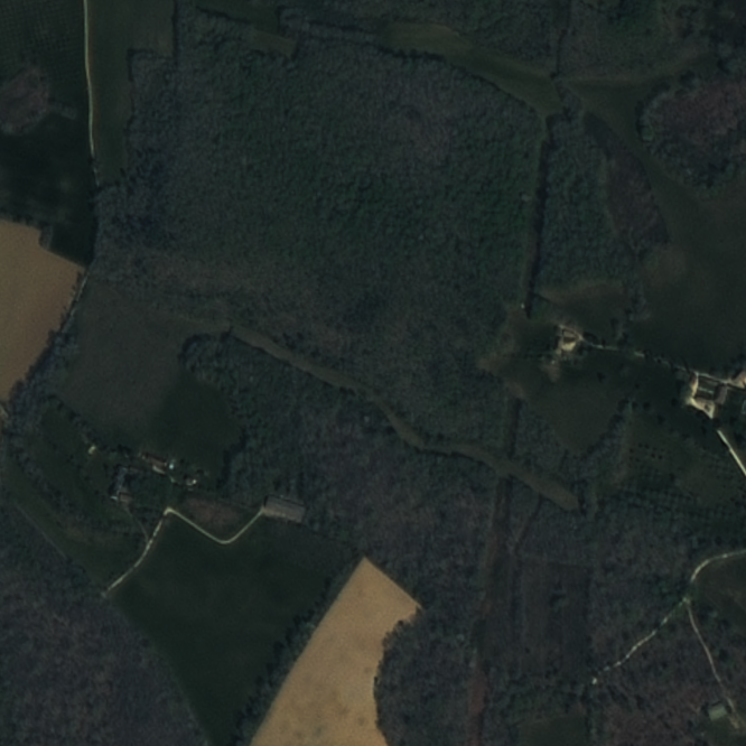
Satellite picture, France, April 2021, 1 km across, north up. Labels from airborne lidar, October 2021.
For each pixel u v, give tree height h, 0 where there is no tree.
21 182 0
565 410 0
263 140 28
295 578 0
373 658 0
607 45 17
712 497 0
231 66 26
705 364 0
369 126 23
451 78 20
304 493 18
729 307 0
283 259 19
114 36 0
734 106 9
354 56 20
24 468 18
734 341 0
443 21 20
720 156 9
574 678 9
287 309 18
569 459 15
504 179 25
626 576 16
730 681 16
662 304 0
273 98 28
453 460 15
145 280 17
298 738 0
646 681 11
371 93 19
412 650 20
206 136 18
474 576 18
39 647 17
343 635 0
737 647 9
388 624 0
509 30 20
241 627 0
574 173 25
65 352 19
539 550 16
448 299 24
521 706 24
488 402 24
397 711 17
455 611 16
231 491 15
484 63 0
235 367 22
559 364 0
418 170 24
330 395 19
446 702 14
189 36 18
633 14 21
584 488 16
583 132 25
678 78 0
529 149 23
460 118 20
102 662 18
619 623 21
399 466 15
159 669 16
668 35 26
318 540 18
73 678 7
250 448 19
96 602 18
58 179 0
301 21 19
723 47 27
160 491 14
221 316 18
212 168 22
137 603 0
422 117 22
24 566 21
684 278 0
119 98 0
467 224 21
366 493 16
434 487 18
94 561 0
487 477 20
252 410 20
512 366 0
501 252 23
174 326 0
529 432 19
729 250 0
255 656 0
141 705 16
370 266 23
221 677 0
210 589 0
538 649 9
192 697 0
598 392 0
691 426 0
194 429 0
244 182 19
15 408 15
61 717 9
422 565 16
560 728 0
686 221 0
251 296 11
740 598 0
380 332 19
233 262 18
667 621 19
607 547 12
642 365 0
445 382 23
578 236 23
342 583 14
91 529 14
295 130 27
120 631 13
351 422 14
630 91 0
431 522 15
